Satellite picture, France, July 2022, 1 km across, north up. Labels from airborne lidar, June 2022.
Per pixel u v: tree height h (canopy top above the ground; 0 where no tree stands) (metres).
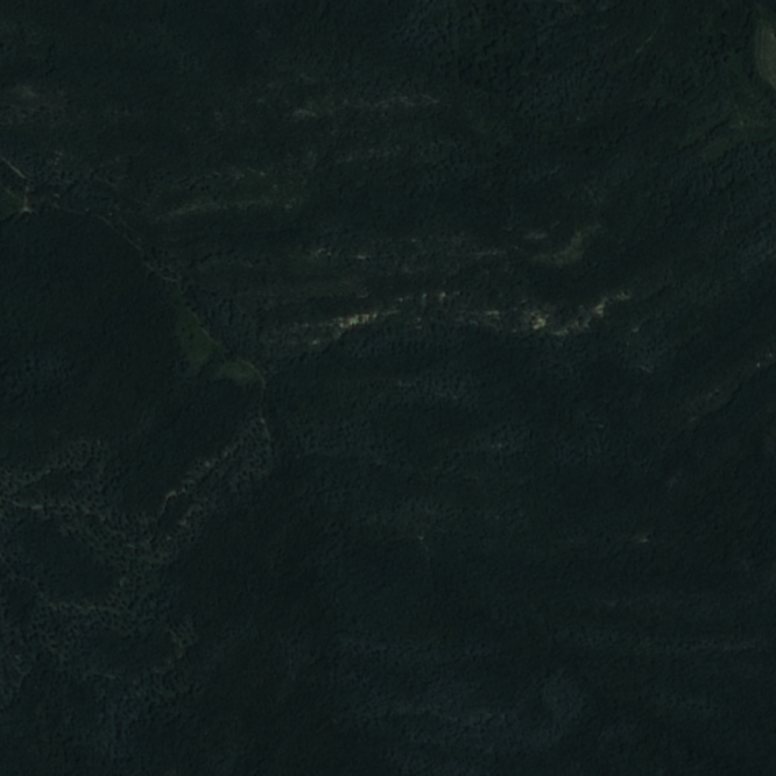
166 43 7
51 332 14
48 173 10
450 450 10
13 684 10
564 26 5
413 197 9
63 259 9
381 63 8
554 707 18
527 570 7
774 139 5
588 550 9
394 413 9
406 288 9
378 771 11
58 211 14
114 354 8
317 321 8
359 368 8
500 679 9
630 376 10
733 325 8
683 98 7
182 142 11
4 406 14
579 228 8
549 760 11
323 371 10
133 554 16
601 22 6
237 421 11
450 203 9
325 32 12
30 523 10
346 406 7
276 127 7
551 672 11
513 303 7
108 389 17
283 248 6
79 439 16
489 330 7
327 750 8
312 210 10
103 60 9
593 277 11
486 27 8
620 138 8
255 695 15
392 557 6
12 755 10
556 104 19
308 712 12
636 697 8
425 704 15
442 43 17
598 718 12
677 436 7
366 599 6
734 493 7
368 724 13
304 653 16
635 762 12
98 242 9
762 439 14
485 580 7
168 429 16
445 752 9
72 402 8
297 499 11
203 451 10
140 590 20
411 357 12
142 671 13
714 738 11
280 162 10
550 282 9
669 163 13
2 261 12
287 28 9
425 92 6
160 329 16
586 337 9
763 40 0
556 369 8
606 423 7
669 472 11
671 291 7
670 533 10
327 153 9
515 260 9
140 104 8
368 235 8
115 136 8
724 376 9
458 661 9
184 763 13
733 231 8
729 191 9
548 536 10
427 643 9
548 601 12
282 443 13
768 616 9
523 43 7
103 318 15
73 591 10
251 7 8
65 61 10
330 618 13
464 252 7
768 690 10
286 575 11
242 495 18
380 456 8
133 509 9
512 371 10
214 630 13
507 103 7
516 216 6
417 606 10
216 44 9
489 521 6
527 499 9
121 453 10
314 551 7
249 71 8
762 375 11
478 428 9
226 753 15
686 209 14
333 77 11
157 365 16
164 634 13
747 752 10
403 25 13
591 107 6
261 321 10
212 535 13
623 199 9
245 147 9
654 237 12
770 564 9
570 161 9
